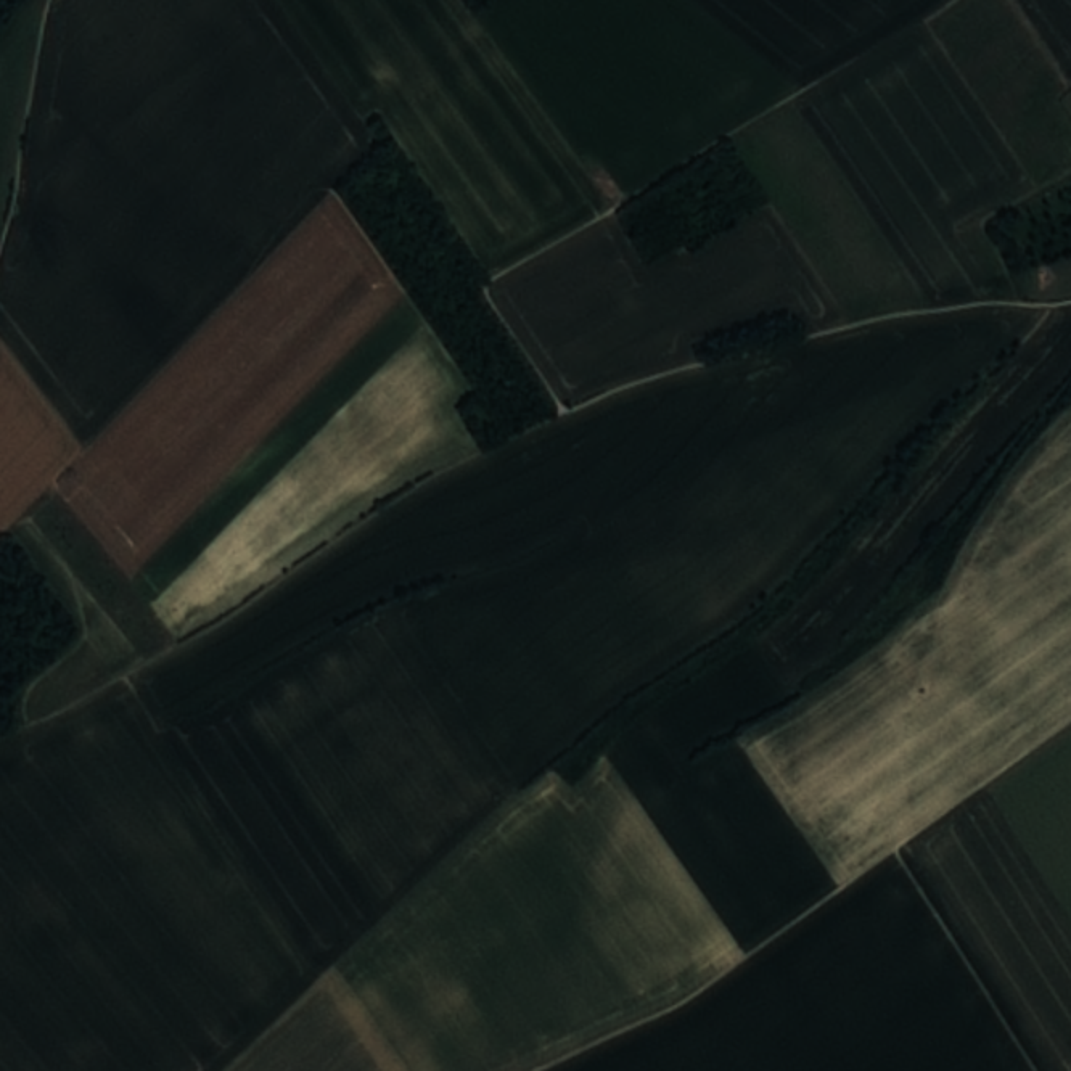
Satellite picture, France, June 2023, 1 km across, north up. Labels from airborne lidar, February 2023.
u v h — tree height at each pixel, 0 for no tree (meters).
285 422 0
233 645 0
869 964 0
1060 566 0
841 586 0
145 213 0
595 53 0
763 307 0
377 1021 0
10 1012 0
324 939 0
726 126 0
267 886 0
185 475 0
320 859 0
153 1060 0
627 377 0
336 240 0
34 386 0
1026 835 0
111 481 0
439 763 0
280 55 0
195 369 0
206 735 0
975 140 0
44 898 0
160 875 0
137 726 0
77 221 0
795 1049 0
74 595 0
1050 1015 0
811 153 0
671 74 0
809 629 0
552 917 0
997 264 0
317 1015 0
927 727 0
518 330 0
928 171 0
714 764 0
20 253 0
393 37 0
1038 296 0
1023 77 0
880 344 0
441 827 0
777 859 0
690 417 0
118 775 0
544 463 0
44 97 0
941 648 0
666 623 0
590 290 0
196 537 0
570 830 0
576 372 0
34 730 0
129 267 0
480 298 13
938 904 0
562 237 0
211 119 0
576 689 0
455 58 0
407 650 0
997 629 0
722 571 0
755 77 0
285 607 0
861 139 0
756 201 9
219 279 0
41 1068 0
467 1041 0
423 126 0
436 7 0
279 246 0
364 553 0
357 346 0
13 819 0
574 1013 0
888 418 0
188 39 0
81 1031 0
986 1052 0
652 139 0
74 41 0
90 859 0
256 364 0
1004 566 0
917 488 0
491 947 0
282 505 0
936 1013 0
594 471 0
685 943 0
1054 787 0
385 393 0
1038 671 0
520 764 0
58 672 0
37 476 0
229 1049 0
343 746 0
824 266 0
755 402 0
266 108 0
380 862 0
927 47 0
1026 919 0
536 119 0
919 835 0
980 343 0
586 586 0
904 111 0
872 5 0
